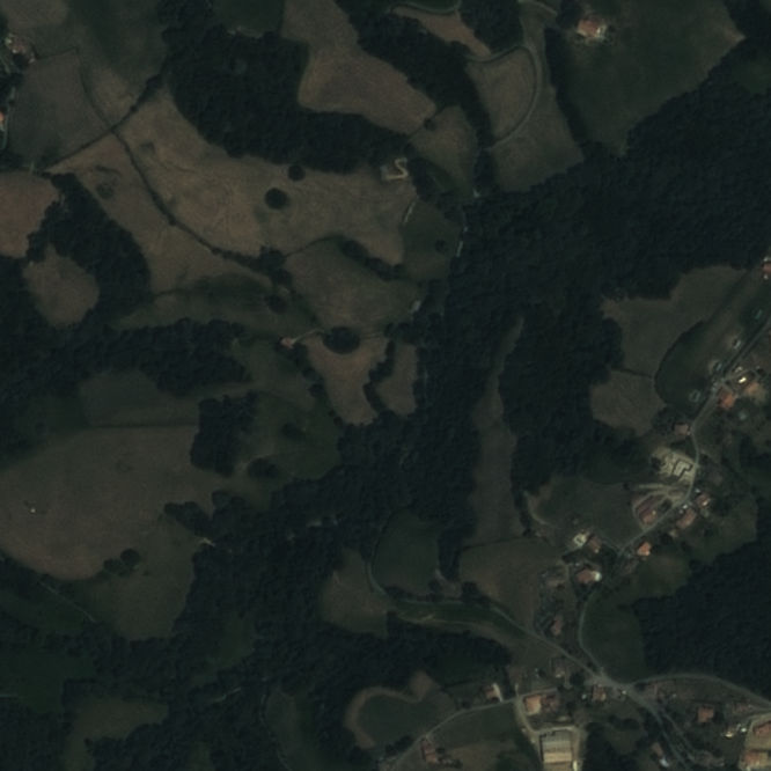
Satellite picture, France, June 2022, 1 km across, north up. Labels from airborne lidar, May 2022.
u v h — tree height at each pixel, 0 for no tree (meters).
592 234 21
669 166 26
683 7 0
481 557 0
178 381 22
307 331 0
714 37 0
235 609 23
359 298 0
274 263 17
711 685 0
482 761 0
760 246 19
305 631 23
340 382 0
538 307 19
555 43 23
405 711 0
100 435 0
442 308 0
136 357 20
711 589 25
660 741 13
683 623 26
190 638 18
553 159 0
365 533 22
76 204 22
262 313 0
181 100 8
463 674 0
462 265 19
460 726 0
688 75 0
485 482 0
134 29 0
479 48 0
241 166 0
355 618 0
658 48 0
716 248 22
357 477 24
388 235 0
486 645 22
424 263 0
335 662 7
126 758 22
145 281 16
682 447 10
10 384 12
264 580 23
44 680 0
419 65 15
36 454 0
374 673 26
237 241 0
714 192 16
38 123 0
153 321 0
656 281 17
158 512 0
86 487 0
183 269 0
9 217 0
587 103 0
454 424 14
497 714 0
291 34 0
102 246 17
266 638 28
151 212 0
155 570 0
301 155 13
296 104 10
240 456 0
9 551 0
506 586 0
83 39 0
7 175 0
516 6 16
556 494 0
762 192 23
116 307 26
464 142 0
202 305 0
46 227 16
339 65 0
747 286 0
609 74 0
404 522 0
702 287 0
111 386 0
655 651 17
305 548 21
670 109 21
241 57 14
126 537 0
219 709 28
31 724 15
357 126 22
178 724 20
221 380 14
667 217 13
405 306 0
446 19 0
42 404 0
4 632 20
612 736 0
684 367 0
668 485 0
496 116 0
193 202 0
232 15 0
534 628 0
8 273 19
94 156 0
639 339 0
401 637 25
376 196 0
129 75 0
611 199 20
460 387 14
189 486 0
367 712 0
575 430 23
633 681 0
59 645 19
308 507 25
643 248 15
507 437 0
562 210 18
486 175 18
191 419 0
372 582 0
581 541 0
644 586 0
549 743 0
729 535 0
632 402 0
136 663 23
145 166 0
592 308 19
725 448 7
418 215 0
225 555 29
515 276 18
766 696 18
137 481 0
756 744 0
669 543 13
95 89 0
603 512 0
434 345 15
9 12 0
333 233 0
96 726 0
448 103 11
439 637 8
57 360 19
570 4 15
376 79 0
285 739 0
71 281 0
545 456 24
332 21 0
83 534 0
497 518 0
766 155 24
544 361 18
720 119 21
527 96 0
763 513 10
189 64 13
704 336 0
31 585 9
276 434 0
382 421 8
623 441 0
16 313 30
